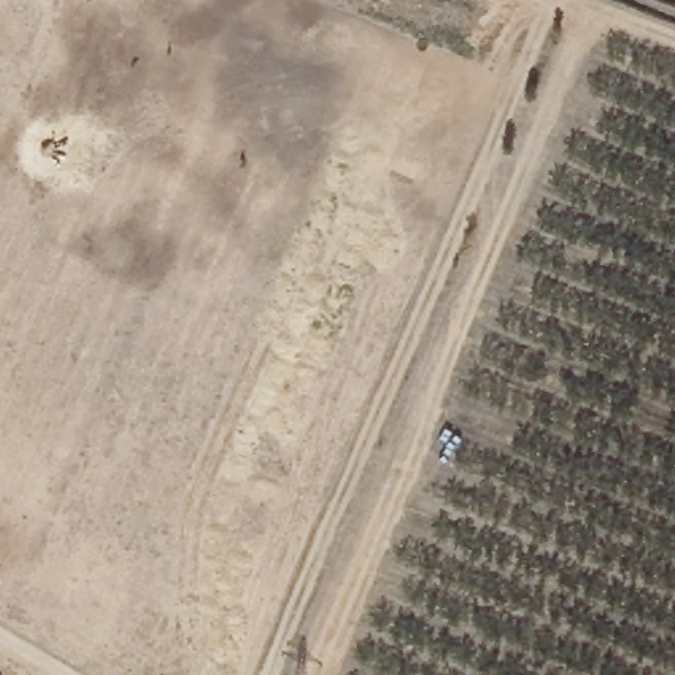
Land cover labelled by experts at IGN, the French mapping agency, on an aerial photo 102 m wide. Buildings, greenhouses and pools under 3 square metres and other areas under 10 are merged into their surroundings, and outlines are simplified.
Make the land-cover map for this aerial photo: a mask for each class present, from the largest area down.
<instances>
[{"label":"plowed land","instance_id":"1","mask_svg":"<svg viewBox=\"0 0 675 675\"><path fill-rule=\"evenodd\" d=\"M554 24V5L548 0H0V628L79 675H250L266 641L269 625L274 620V612L279 606V599L293 575V567L306 543L308 527L319 512L324 485L330 483L340 448L348 440V430L359 417L369 385L377 377V367L390 343L393 324L398 322L409 301V293L417 285V277L425 266L427 250L438 229L430 219L432 214H443V208L448 206V198L459 185V177L464 174V166H469L477 137H485V150H496L504 145L506 121H512L519 103L525 100L527 74L535 66L541 45ZM372 638L393 643V633L374 628L372 617L367 614L356 625V641ZM0 675H47L34 664H26L0 651ZM345 675H374L377 662H359L353 651L343 659Z\"/></svg>","mask_w":675,"mask_h":675},{"label":"deciduous trees","instance_id":"2","mask_svg":"<svg viewBox=\"0 0 675 675\"><path fill-rule=\"evenodd\" d=\"M367 614L372 617L374 628L393 633V643L372 638L356 641L353 651L359 662H377L374 675H675V50L646 40H635L625 32H609L606 40L596 42L583 58L580 71L575 74V82L562 100L556 132L546 142L543 163L535 171L530 192L517 214L512 237L501 250V258L485 287L477 319L467 332V345L461 348L454 380L443 396L440 425L432 432V448L422 464L419 485L411 490L406 501L403 519L393 530V548L385 551L377 567Z\"/></svg>","mask_w":675,"mask_h":675},{"label":"pervious surface","instance_id":"3","mask_svg":"<svg viewBox=\"0 0 675 675\"><path fill-rule=\"evenodd\" d=\"M554 5V24L541 45L535 66L527 74L525 100L519 103L512 121H506L504 145L496 150H485V137H477L469 166H464V174L459 177V185L448 198V206L443 208V214H432L430 219L438 229L427 250L425 266L417 277V285L409 293V301L398 322L393 324L390 343L377 367V377L369 385L359 417L348 430V440L340 448L330 483L324 485L319 512L308 527L306 543L293 567V575L279 599V606L274 612V620L269 625L266 641L250 675H345L343 659L353 651L356 641V625L367 614L377 567L385 551L393 548V530L403 519L406 501L411 490L419 485L422 464L432 448V432L440 425L443 396L454 380L461 348L467 345V332L477 319L485 287L501 258V250L512 237L517 214L530 192L535 171L543 163L546 142L556 132L562 100L575 82V74L580 71L583 58L596 42L606 40L609 32H625L635 40H646L675 50V26L643 16L628 3L617 0H548ZM0 651L26 664H34L47 675H79L0 628Z\"/></svg>","mask_w":675,"mask_h":675},{"label":"vineyard","instance_id":"4","mask_svg":"<svg viewBox=\"0 0 675 675\"><path fill-rule=\"evenodd\" d=\"M628 3L643 16L675 26V0H617Z\"/></svg>","mask_w":675,"mask_h":675}]
</instances>
